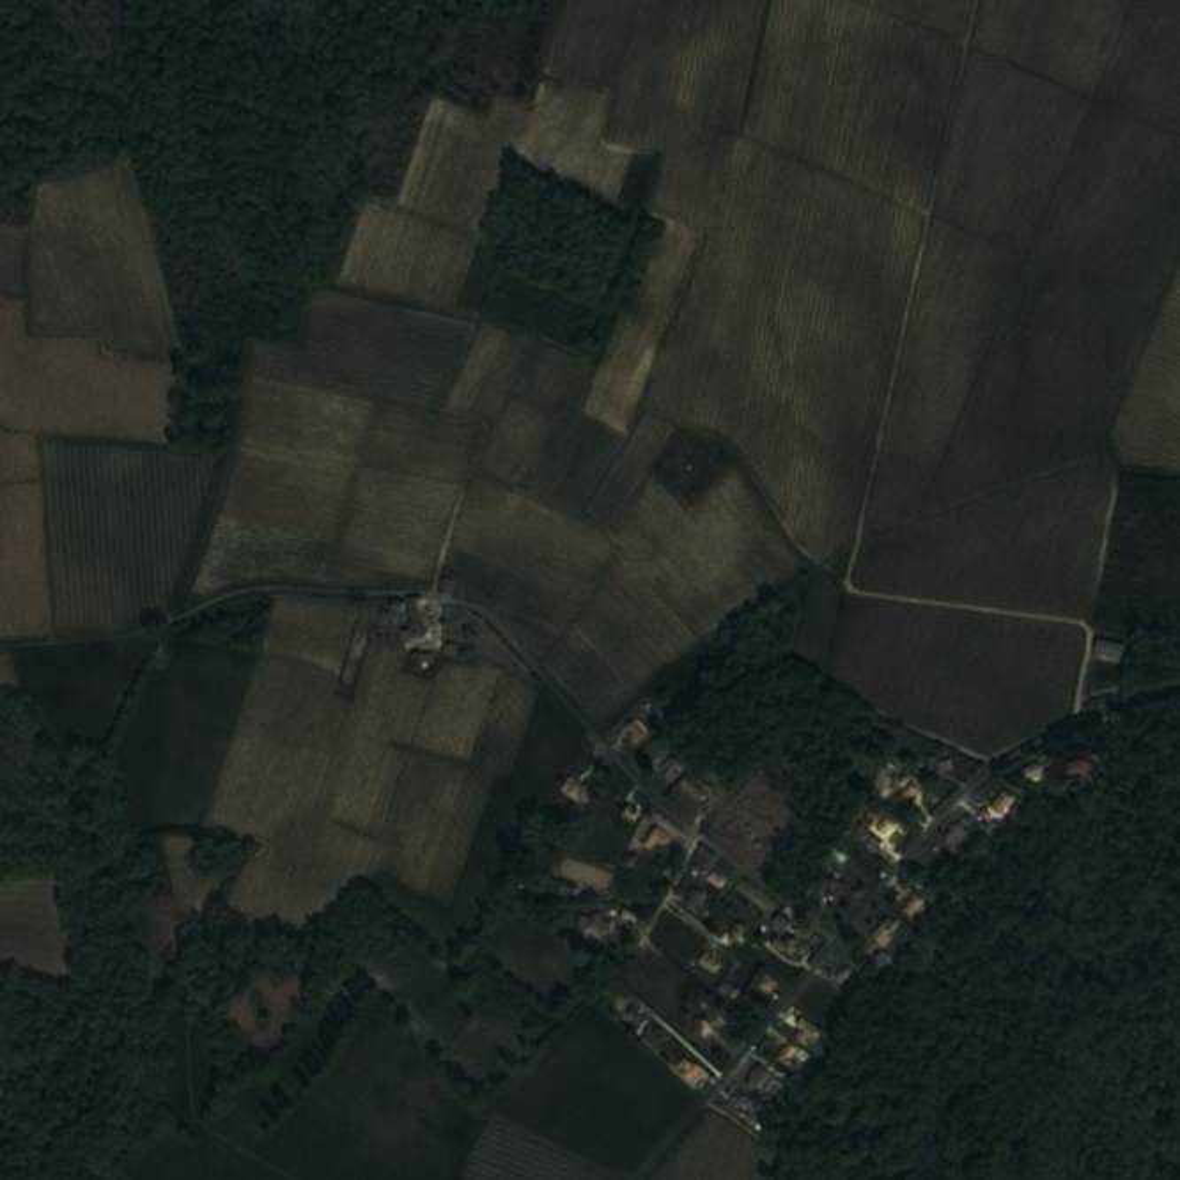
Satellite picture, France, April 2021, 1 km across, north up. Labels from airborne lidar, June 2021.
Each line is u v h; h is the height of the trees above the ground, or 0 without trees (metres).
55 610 0
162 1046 20
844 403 0
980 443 0
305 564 0
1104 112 0
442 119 0
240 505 0
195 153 25
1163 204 0
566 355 0
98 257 0
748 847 0
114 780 17
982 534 0
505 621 0
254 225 21
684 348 0
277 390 0
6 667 0
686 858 15
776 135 0
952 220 0
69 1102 18
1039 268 0
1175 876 15
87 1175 21
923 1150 22
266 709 0
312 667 0
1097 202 0
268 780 0
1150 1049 12
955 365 0
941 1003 16
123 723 8
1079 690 0
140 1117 17
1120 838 16
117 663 0
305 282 15
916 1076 19
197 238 6
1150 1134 15
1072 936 15
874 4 0
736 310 0
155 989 19
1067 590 0
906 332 0
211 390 25
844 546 0
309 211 18
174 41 24
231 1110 13
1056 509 0
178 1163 0
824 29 0
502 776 0
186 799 0
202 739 0
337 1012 0
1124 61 0
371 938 21
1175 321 0
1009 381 0
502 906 18
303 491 0
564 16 0
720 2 0
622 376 0
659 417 0
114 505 0
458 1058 0
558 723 0
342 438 0
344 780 0
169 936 0
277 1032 0
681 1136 0
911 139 0
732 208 0
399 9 14
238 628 13
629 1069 0
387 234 0
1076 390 0
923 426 0
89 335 0
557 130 0
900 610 0
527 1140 0
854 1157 23
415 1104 0
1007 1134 22
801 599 0
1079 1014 13
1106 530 0
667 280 0
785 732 21
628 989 0
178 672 0
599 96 0
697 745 24
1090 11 0
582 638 0
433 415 0
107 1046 14
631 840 0
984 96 0
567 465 0
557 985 0
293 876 0
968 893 14
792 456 0
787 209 0
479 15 26
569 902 10
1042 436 0
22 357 0
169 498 0
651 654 0
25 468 0
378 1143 0
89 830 21
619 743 0
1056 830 14
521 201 19
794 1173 9
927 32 0
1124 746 19
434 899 0
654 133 0
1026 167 0
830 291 0
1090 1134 21
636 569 0
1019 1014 16
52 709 0
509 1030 0
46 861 20
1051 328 0
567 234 21
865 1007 24
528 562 0
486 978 14
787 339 0
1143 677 18
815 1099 24
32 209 18
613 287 11
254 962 15
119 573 0
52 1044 20
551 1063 0
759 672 19
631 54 0
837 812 13
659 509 0
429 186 0
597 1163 0
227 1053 13
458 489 0
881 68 0
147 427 0
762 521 0
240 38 21
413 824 0
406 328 0
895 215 0
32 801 19
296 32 20
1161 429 0
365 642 0
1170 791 16
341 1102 0
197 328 13
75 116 19
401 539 0
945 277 0
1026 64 0
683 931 0
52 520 0
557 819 20
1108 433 0
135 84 18
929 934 21
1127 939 15
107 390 0
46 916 0
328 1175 0
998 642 0
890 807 16
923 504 0
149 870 11
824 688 20
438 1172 0
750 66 0
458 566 0
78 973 19
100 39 13
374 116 15
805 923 14
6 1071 15
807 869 11
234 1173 0
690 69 0
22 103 21
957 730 0
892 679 0
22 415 0
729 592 0
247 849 10
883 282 0
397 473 0
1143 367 0
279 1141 0
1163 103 0
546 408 0
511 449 0
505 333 0
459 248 0
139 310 0
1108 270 0
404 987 0
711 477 6
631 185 0
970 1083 19
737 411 0
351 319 0
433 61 23
